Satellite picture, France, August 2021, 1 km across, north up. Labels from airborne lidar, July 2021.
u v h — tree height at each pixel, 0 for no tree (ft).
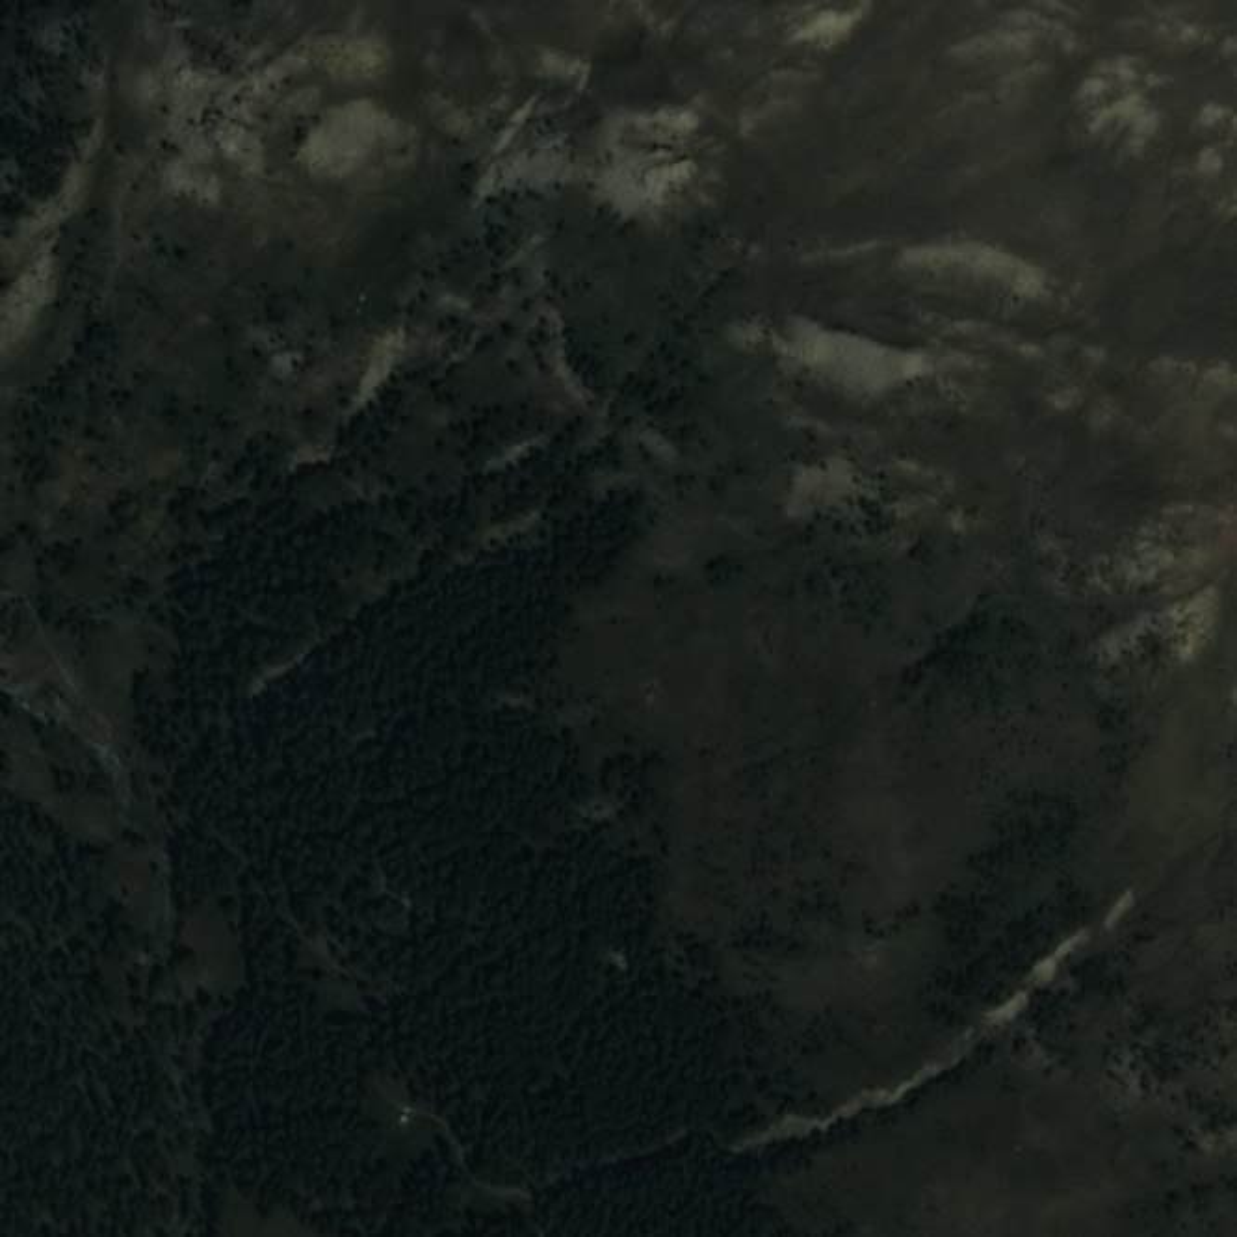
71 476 0
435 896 62
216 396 0
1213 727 0
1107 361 0
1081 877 0
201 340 0
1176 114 0
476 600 41
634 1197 78
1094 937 0
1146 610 0
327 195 0
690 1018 53
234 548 66
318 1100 81
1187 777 0
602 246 0
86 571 0
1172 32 0
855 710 0
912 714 0
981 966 23
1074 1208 0
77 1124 73
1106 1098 0
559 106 0
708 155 0
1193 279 0
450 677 53
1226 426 0
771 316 0
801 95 0
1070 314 0
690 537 0
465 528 29
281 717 76
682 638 0
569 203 0
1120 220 0
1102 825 0
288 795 77
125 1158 61
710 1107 63
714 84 0
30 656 0
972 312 0
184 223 0
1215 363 0
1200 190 0
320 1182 68
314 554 79
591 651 0
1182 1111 0
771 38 0
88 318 22
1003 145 0
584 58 0
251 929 66
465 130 0
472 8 0
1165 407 0
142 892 0
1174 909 0
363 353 0
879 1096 0
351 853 66
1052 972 0
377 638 81
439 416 0
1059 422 0
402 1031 84
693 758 0
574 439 24
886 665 0
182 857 83
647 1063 61
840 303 0
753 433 0
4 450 0
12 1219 78
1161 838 0
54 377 24
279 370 0
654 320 0
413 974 71
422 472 0
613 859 43
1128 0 0
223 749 62
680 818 0
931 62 0
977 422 0
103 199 0
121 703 0
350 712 74
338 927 56
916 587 0
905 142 0
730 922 0
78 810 0
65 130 23
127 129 0
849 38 0
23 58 33
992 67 0
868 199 0
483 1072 40
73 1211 70
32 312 0
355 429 54
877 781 0
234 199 0
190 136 0
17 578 0
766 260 0
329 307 0
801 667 0
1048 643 0
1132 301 0
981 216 0
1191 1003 0
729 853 0
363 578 0
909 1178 0
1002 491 0
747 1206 37
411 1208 62
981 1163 0
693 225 0
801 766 0
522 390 0
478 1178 65
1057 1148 0
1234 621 0
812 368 0
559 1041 50
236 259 0
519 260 0
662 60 0
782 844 0
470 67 0
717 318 0
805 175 0
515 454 0
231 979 0
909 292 0
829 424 0
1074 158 0
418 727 72
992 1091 0
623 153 0
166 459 0
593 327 0
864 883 0
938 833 0
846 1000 0
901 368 0
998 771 0
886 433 0
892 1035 0
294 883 92
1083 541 0
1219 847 0
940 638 23
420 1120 0
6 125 47
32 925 90
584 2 0
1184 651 0
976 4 0
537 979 55
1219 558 0
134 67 0
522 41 0
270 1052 64
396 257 0
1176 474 0
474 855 55
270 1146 89
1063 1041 0
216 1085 62
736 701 0
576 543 45
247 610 91
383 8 0
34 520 0
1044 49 0
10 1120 82
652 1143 70
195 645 81
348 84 0
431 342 0
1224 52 0
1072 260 0
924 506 0
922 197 0
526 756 52
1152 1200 0
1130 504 0
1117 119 0
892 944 0
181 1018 59
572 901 51
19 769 0
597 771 0
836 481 0
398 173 0
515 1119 57
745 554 0
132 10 0
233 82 0
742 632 0
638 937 39
